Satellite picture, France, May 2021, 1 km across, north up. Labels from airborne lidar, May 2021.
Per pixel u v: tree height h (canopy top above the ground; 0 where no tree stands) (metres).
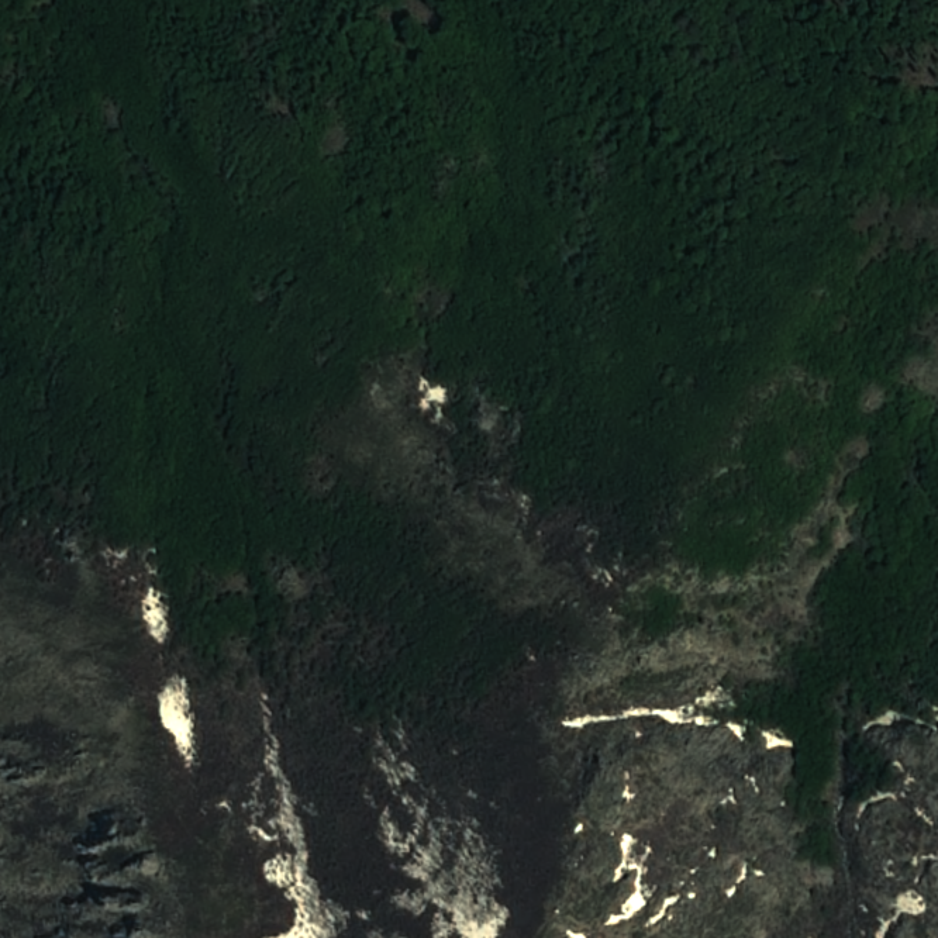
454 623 9
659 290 17
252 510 14
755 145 19
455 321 12
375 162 23
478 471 6
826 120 24
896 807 0
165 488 20
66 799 0
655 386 10
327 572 8
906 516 15
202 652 8
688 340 11
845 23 34
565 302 10
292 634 6
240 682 10
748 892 0
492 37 14
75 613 0
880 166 19
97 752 0
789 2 27
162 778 0
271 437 7
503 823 6
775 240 9
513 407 8
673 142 11
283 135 16
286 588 0
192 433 13
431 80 21
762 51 17
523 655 7
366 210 21
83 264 15
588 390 11
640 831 7
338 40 28
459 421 7
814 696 15
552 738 0
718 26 17
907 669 8
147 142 7
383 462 0
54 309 7
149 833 0
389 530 8
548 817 0
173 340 18
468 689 7
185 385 16
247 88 17
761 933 0
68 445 9
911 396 16
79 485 8
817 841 15
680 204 15
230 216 10
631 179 20
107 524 8
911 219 0
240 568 8
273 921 0
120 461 12
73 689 0
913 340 15
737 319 17
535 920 0
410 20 34
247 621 15
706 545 12
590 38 19
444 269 11
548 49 18
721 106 18
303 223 9
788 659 10
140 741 0
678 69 15
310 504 9
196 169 15
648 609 8
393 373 0
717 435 6
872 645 15
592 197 11
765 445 11
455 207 13
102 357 10
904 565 11
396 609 8
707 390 12
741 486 10
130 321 9
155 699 0
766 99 17
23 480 10
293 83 17
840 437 10
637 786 0
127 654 0
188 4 25
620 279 14
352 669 9
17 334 14
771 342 11
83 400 12
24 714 0
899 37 24
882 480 20
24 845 0
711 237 17
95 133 9
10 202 17
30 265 9
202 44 8
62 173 21
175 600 9
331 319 8
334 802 6
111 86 13
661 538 5
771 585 10
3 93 11
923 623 9
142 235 6
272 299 6
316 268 15
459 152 8
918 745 0
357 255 17
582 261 14
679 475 6
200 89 23
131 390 15
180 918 0
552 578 0
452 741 6
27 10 9
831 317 14
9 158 14
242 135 15
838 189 17
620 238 10
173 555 15
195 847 0
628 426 7
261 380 6
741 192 20
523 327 14
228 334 10
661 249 14
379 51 28
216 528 16
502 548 0
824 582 15
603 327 7
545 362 12
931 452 18
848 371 12
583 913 0
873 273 14
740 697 15
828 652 16
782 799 7
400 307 14
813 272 9
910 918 0
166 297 23
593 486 9
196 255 7
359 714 8
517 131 12
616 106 24
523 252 13
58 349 9
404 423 0
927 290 17
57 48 11
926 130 19
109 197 13
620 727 0
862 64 31
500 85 13
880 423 19
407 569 11
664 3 15
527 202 18
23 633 0
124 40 19
